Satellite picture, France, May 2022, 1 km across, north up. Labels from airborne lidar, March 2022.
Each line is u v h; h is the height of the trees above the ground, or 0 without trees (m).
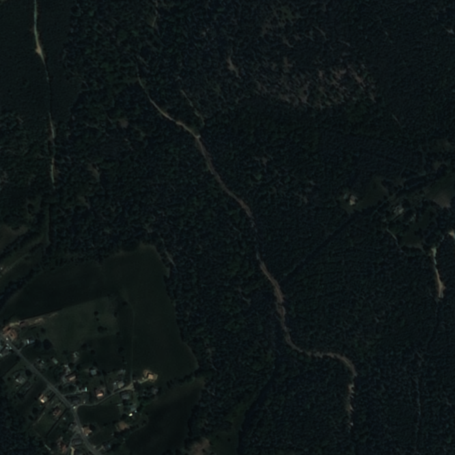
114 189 29
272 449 27
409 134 23
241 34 30
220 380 31
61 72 9
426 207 17
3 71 8
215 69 28
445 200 0
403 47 19
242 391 28
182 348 0
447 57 19
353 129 29
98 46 28
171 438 0
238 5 27
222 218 26
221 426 27
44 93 9
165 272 0
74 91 10
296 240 11
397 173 29
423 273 21
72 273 0
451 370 17
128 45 29
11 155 8
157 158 24
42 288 0
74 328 0
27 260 13
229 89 29
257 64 22
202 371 16
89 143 29
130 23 35
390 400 13
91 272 0
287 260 13
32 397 0
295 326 23
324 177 18
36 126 6
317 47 9
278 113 18
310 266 19
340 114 22
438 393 16
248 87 32
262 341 29
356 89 28
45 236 0
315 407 22
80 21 30
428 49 16
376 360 8
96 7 8
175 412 0
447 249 19
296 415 23
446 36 22
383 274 23
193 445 20
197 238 26
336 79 24
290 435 23
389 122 24
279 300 0
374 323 17
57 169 8
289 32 14
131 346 0
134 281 0
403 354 24
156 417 0
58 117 10
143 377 0
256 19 25
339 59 11
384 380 33
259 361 27
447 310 16
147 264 0
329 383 20
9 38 10
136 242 23
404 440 14
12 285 13
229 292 32
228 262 24
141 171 22
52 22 9
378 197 0
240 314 23
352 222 15
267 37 12
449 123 23
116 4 32
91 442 0
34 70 9
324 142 21
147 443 0
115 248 19
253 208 18
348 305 19
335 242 16
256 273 22
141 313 0
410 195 12
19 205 12
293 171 16
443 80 18
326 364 19
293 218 19
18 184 9
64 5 9
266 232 22
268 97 12
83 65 26
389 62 20
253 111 21
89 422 0
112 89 12
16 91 11
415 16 21
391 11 19
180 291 22
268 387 34
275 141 26
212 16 15
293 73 7
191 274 28
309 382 26
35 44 6
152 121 21
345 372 21
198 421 14
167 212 25
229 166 16
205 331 29
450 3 25
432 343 15
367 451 33
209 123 24
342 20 11
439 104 19
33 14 9
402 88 20
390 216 16
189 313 20
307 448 20
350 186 26
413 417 14
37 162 12
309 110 29
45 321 0
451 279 17
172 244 26
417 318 15
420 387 15
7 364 0
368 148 24
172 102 24
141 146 29
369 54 18
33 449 26
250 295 36
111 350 0
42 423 0
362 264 17
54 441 0
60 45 10
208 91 27
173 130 25
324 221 17
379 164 28
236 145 25
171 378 0
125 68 27
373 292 9
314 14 13
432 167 21
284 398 27
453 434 12
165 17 22
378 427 28
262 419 28
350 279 10
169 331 0
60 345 0
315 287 13
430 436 26
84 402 0
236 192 20
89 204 12
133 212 28
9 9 11
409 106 19
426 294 19
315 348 30
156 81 14
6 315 0
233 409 30
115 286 0
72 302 0
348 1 17
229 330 20
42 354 0
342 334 24
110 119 27
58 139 8
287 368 21
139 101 29
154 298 0
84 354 0
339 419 16
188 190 32
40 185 10
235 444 0
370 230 18
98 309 0
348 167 19
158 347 0
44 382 0
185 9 20
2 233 0
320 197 19
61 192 29
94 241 28
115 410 0
